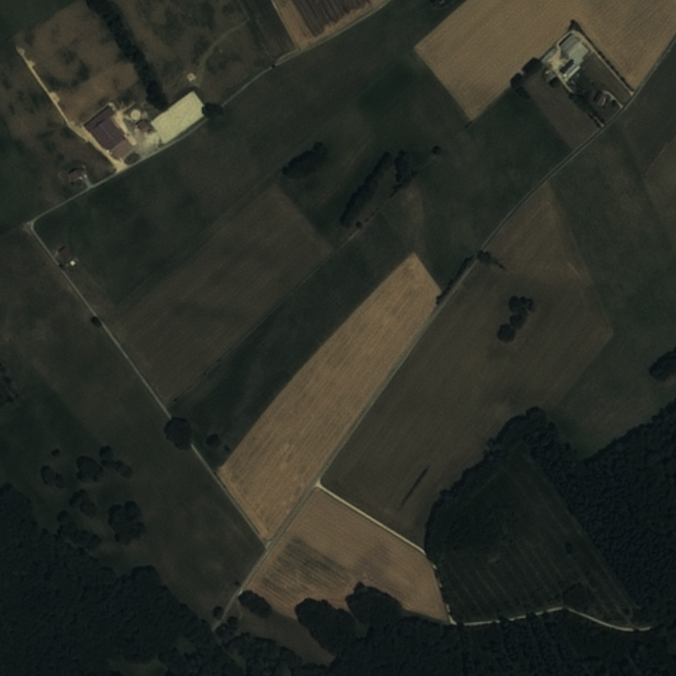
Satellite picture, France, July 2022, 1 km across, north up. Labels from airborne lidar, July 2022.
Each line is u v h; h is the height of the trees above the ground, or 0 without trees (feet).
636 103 0
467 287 0
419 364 0
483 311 0
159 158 0
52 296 0
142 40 0
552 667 79
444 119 0
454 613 31
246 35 0
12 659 83
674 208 0
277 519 0
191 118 0
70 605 78
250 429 0
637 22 0
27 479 0
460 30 0
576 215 0
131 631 88
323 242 0
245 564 0
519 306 74
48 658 83
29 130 0
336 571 0
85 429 0
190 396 0
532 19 0
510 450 77
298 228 0
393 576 0
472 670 75
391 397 0
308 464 0
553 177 0
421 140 0
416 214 0
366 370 0
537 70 55
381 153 0
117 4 0
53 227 0
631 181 0
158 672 0
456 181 0
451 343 0
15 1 0
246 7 0
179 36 0
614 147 0
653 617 69
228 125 0
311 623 76
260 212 0
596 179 0
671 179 0
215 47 0
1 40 0
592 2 0
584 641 19
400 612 68
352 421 0
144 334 0
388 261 0
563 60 0
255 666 87
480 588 0
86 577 96
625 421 0
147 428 0
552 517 0
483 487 62
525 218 0
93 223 0
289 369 0
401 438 0
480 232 0
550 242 0
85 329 0
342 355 0
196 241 0
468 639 76
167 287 0
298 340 0
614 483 89
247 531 0
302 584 0
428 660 74
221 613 50
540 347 0
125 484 0
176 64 0
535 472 0
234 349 0
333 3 0
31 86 0
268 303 0
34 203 0
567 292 0
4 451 0
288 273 0
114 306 0
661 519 85
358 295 0
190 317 0
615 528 83
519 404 0
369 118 0
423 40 0
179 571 0
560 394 0
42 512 0
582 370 0
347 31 0
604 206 0
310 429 0
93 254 0
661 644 35
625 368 0
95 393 0
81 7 0
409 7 0
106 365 0
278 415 0
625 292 0
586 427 0
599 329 0
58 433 0
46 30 0
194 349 0
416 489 0
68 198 0
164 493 0
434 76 0
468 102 0
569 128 0
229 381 0
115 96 0
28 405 0
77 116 0
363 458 0
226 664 72
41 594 76
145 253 0
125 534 62
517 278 0
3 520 69
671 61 0
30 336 0
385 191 0
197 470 0
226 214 0
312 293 0
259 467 0
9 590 68
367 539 0
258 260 0
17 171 0
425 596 0
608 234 0
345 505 0
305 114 0
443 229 0
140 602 89
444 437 0
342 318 0
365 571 0
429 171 0
